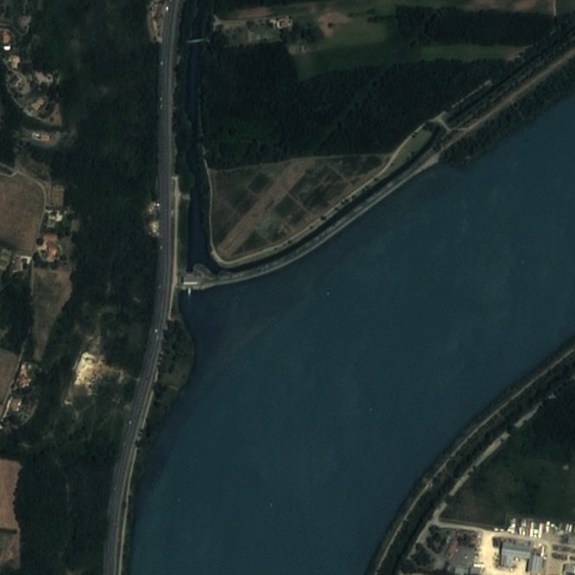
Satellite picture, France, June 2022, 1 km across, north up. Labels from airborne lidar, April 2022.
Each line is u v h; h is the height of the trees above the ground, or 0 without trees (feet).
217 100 68
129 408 0
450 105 39
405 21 38
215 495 0
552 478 0
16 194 0
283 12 0
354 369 0
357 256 0
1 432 30
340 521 0
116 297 34
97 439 60
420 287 0
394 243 0
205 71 82
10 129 51
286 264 0
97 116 32
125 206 29
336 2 0
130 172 42
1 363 0
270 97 65
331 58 0
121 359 22
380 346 0
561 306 0
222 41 66
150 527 0
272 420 0
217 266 0
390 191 0
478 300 0
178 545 0
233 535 0
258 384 0
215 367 0
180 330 59
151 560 0
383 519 0
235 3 56
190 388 0
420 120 43
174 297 0
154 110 40
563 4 0
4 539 0
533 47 30
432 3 0
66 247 0
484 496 0
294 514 0
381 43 0
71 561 41
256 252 0
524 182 0
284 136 46
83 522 46
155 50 44
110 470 27
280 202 0
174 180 0
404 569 51
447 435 0
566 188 0
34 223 0
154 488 0
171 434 0
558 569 0
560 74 29
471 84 54
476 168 0
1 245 31
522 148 0
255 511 0
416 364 0
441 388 0
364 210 0
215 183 0
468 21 54
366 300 0
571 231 0
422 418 0
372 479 0
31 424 20
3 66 29
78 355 0
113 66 28
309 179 0
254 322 0
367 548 0
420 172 0
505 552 0
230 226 0
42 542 37
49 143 0
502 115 47
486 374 0
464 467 50
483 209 0
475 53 0
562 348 19
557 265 0
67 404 0
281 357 0
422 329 0
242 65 52
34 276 0
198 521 0
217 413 0
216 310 0
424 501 27
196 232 0
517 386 21
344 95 53
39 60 45
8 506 0
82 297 31
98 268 20
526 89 0
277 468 0
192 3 41
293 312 0
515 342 0
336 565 0
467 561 0
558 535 0
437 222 0
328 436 0
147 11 29
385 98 63
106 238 33
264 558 0
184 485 0
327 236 0
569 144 0
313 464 0
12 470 0
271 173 0
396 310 0
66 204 34
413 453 0
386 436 0
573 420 29
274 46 44
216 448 0
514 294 0
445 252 0
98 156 36
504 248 0
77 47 0
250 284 0
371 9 20
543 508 0
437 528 41
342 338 0
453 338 0
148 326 21
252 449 0
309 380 0
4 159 34
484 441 31
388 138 52
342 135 42
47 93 19
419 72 60
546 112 0
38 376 30
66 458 45
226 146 35
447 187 0
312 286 0
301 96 47
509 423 58
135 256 26
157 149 48
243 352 0
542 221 0
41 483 35
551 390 48
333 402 0
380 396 0
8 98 52
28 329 55
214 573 0
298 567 0
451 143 0
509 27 63
